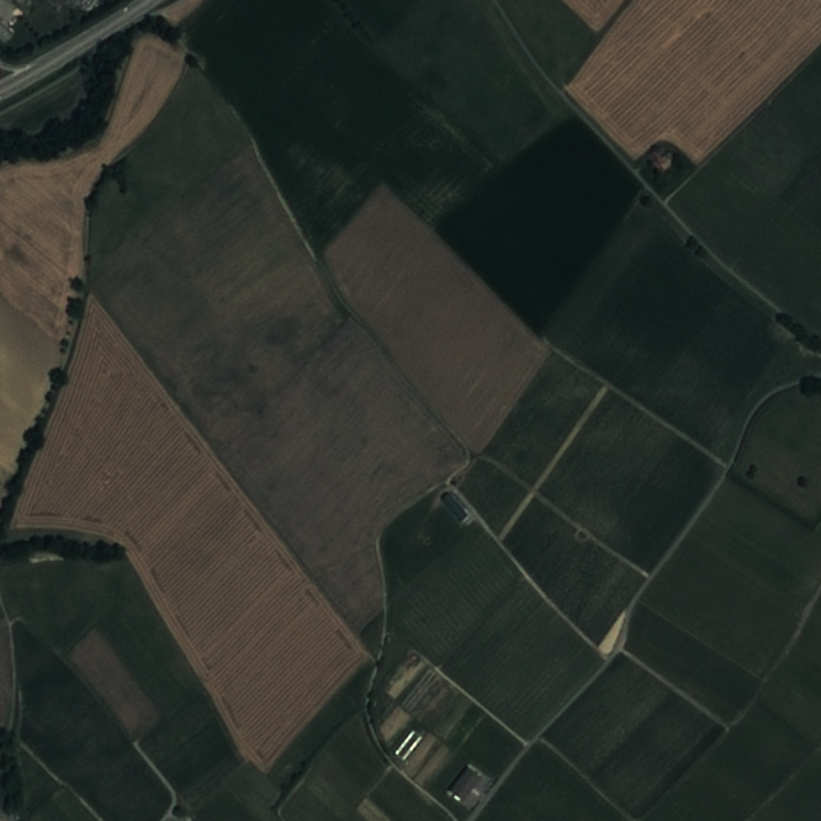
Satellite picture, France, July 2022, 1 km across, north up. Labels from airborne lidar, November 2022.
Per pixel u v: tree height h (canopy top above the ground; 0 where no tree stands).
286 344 0
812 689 0
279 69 0
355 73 0
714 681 0
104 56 18
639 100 0
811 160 0
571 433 0
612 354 0
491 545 0
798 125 0
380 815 0
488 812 0
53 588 0
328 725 0
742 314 0
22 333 0
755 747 0
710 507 0
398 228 0
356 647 0
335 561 0
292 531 0
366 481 0
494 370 0
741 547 0
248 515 0
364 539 0
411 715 0
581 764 0
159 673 0
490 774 0
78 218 0
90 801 0
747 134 0
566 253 0
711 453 0
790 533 0
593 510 0
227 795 0
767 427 0
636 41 0
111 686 0
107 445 0
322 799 0
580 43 0
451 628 0
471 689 0
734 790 0
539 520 0
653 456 0
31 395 0
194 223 0
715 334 0
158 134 0
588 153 0
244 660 0
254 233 0
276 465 0
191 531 0
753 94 0
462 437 0
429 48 0
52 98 0
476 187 0
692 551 0
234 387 0
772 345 0
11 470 0
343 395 0
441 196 0
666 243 0
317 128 0
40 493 0
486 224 0
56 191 0
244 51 0
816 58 0
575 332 0
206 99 0
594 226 0
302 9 0
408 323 0
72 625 0
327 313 0
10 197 0
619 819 0
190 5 0
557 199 0
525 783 0
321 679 0
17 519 0
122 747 0
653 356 0
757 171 0
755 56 0
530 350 0
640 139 0
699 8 0
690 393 0
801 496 0
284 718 0
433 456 0
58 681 0
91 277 0
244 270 0
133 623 0
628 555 0
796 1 0
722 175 0
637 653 0
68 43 0
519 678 0
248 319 0
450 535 0
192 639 0
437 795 0
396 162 0
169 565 0
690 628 0
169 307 0
